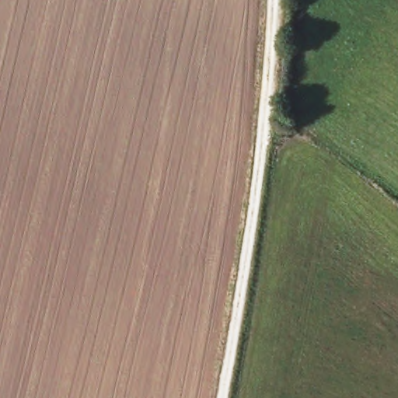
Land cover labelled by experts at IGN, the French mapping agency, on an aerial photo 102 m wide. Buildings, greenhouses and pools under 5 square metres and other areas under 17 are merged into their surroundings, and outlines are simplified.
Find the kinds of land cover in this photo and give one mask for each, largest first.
<instances>
[{"label":"agricultural land","instance_id":"1","mask_svg":"<svg viewBox=\"0 0 398 398\"><path fill-rule=\"evenodd\" d=\"M267 0H0V398H218L225 348L232 322L233 300L238 283L239 260L246 232L257 149L258 112L266 45ZM281 11L285 9L291 14V33L288 34L291 59L286 67L285 78L288 79V86H286L285 89L281 90L286 93L285 98L281 99V107L286 117L292 121L289 131L302 134L298 137L297 143L281 149L277 154V162L271 163L266 159L257 235L253 244L246 303L239 330L229 398H398V0H280Z\"/></svg>","mask_w":398,"mask_h":398},{"label":"pervious surface","instance_id":"2","mask_svg":"<svg viewBox=\"0 0 398 398\"><path fill-rule=\"evenodd\" d=\"M281 11L280 0H267L266 45L258 112L257 149L246 232L239 260L238 283L233 300L232 322L225 348L218 398H229L239 330L246 303L253 244L257 235L266 159L271 124V96L275 92V64H277L275 36L280 28Z\"/></svg>","mask_w":398,"mask_h":398},{"label":"brushwood","instance_id":"3","mask_svg":"<svg viewBox=\"0 0 398 398\"><path fill-rule=\"evenodd\" d=\"M291 14L285 9L281 11L280 28L275 36L277 64L280 65V67H286L291 59L288 34L291 33ZM286 93L281 90L275 92L271 96V124H275L283 131H289L292 121L286 117L281 107V99L285 98Z\"/></svg>","mask_w":398,"mask_h":398},{"label":"herbaceous vegetation","instance_id":"4","mask_svg":"<svg viewBox=\"0 0 398 398\"><path fill-rule=\"evenodd\" d=\"M286 67H280V65L277 64H275V92L281 90L285 89L286 86H288V79L285 78ZM302 134L289 131H283L275 124H271L266 159L271 163L277 162V154L281 149L297 143L298 137Z\"/></svg>","mask_w":398,"mask_h":398}]
</instances>
